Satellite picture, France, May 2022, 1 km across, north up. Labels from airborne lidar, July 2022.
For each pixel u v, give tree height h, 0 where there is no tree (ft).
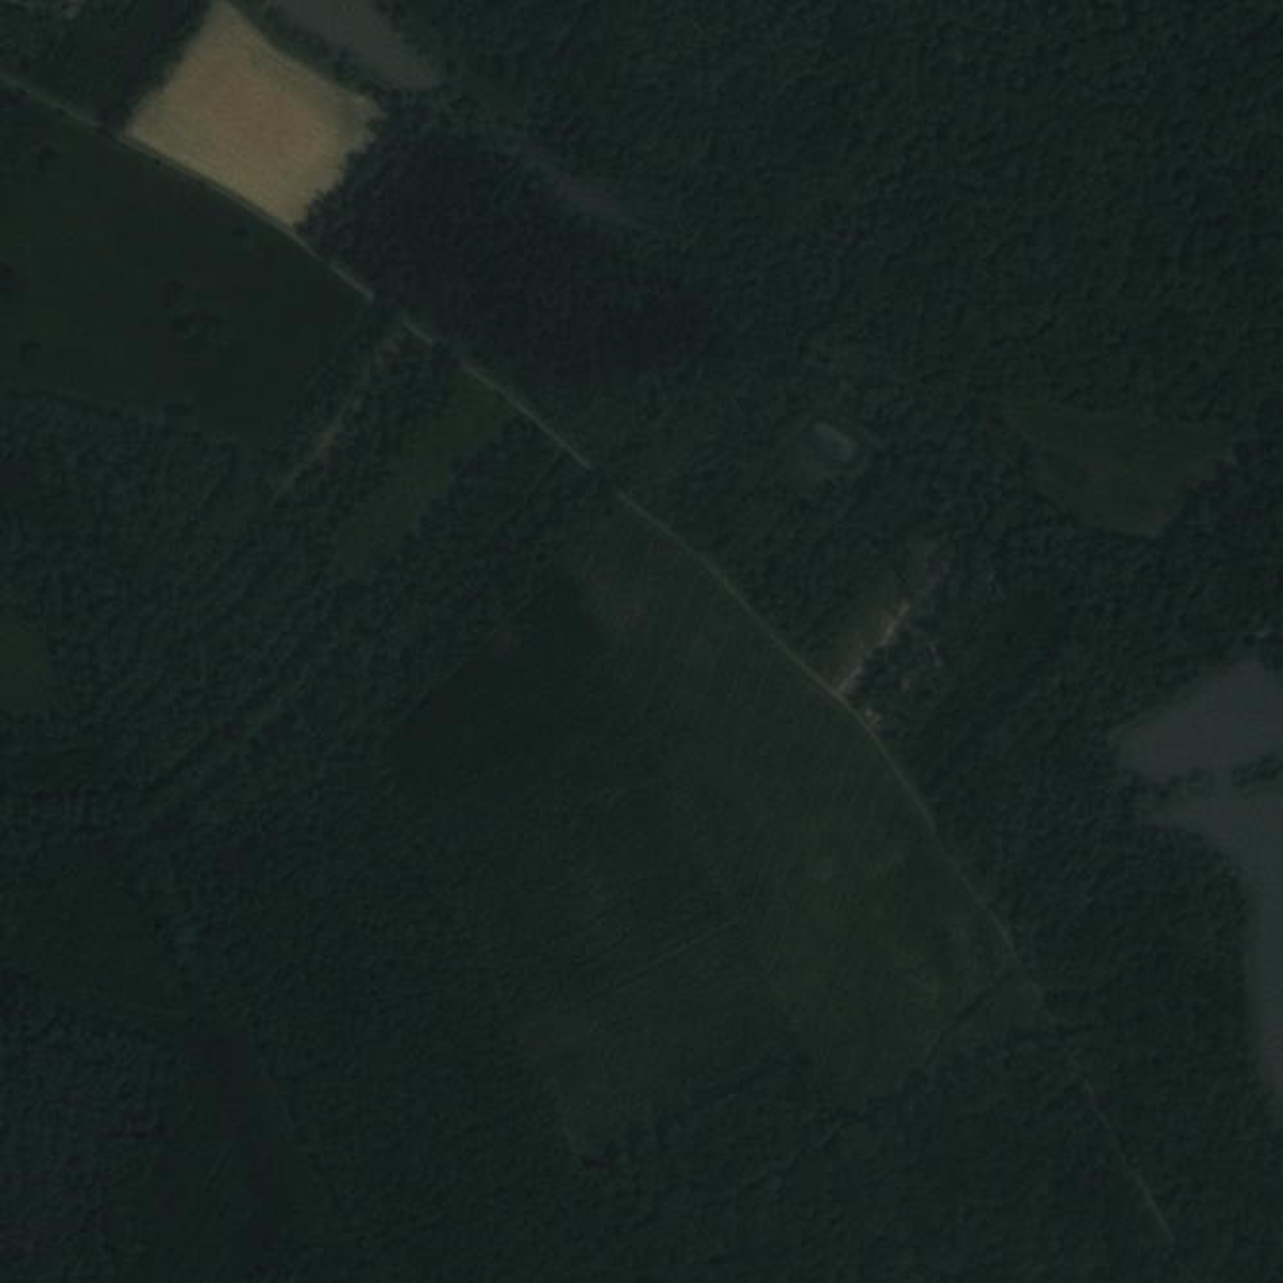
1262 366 81
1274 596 68
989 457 83
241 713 94
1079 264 73
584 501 89
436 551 77
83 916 20
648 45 81
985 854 38
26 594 77
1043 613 18
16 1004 107
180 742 80
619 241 68
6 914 76
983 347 70
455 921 56
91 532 27
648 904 22
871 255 86
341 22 0
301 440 71
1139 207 77
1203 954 73
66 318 0
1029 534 63
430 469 0
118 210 0
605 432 86
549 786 18
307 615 74
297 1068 59
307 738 64
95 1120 85
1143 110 84
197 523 84
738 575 70
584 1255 56
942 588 106
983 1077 75
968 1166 83
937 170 73
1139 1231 80
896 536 96
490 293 103
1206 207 95
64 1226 85
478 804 23
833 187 85
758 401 99
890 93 68
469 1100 60
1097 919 74
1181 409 82
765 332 75
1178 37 72
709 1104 94
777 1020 19
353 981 62
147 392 0
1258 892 0
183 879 88
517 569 93
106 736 53
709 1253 84
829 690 0
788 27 98
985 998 24
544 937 19
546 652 18
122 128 43
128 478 77
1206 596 74
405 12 62
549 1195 58
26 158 0
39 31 66
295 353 0
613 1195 31
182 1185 21
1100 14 79
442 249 94
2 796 80
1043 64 94
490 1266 62
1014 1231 75
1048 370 75
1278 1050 0
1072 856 79
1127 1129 80
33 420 60
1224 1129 87
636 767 18
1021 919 71
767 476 76
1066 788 80
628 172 64
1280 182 72
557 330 115
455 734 19
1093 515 0
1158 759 0
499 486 77
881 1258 94
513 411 0
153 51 29
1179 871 64
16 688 0
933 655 89
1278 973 0
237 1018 67
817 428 0
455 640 97
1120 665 69
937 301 90
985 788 76
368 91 41
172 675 93
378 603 78
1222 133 79
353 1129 62
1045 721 80
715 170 91
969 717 18
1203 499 49
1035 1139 82
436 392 63
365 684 68
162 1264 22
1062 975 73
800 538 76
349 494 63
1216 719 0
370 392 31
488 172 117
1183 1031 85
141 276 0
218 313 0
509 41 77
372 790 72
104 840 65
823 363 94
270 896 65
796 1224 99
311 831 65
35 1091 80
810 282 70
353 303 0
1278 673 52
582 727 20
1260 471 80
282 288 0
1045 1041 38
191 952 73
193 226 0
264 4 45
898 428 71
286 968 62
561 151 66
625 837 19
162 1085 85
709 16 60
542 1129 54
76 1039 96
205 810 101
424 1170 66
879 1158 80
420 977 66
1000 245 74
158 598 66
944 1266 87
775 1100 87
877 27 77
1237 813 0
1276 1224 66
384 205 108
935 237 87
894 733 68
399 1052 62
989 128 66
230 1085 31
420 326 68
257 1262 25
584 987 21
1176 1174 85
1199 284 65
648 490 81
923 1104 91
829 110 91
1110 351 74
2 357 0
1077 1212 79
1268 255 79
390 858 66
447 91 40
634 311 48
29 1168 81
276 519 46
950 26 70
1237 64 70
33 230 0
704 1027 18
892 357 84
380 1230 61
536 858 21
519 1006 23
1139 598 57
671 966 18
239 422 0
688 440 82
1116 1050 87
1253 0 69
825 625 64
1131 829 53
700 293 55
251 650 98
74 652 75
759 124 102
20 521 24
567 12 102
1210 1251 83
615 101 80
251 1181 24
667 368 61
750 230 73
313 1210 18
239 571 54
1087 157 64
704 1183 83
